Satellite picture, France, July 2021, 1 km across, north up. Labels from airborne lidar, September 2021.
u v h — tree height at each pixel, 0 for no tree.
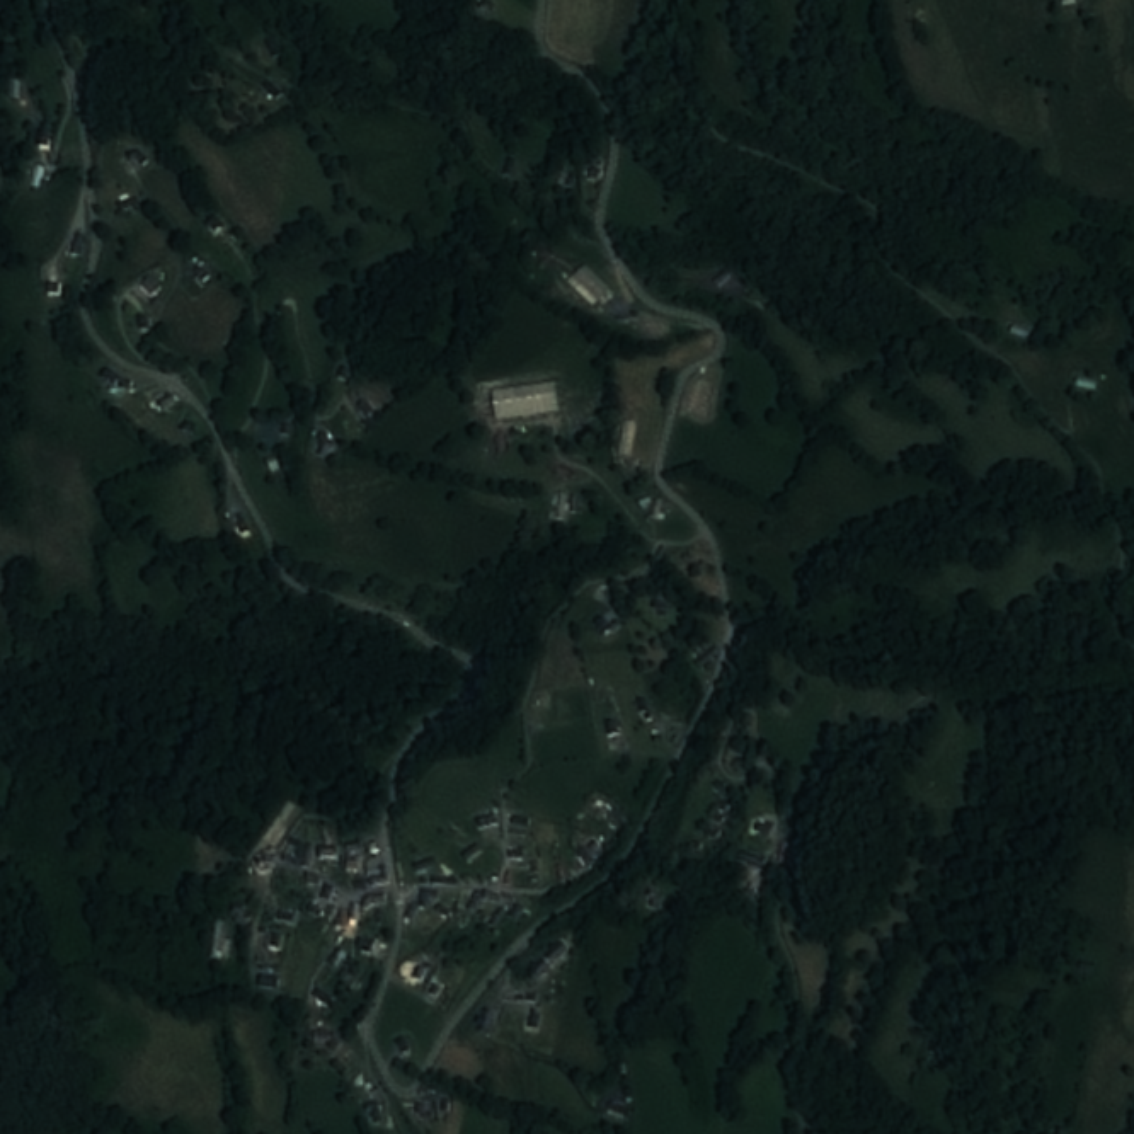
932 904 6
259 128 6
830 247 15
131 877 0
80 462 0
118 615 15
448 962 9
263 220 0
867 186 9
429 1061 0
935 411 20
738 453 0
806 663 18
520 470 0
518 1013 0
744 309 9
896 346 21
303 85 12
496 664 29
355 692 26
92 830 11
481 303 15
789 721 0
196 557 14
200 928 8
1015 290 15
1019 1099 19
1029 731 31
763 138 13
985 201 22
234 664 18
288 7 7
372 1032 0
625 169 0
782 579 0
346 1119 0
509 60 21
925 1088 0
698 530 0
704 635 12
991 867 17
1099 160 0
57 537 0
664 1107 0
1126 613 14
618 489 0
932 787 0
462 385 15
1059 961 19
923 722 12
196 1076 0
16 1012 25
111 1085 0
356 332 16
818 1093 16
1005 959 18
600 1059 0
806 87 21
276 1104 0
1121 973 0
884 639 20
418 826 0
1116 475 0
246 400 0
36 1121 19
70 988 12
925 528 23
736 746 16
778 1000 7
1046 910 16
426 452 0
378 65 15
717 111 22
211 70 8
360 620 18
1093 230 12
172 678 28
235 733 11
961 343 10
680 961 14
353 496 0
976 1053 10
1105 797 5
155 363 15
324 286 0
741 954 0
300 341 0
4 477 19
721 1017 0
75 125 0
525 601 20
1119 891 0
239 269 0
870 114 18
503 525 0
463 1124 0
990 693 6
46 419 0
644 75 28
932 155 17
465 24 27
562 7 0
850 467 0
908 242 15
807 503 0
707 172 19
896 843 22
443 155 5
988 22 0
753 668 19
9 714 25
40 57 0
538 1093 0
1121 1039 0
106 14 17
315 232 13
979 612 28
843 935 13
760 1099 0
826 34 21
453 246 19
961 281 22
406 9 23
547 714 0
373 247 0
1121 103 0
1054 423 10
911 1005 0
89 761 25
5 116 15
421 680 28
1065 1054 0
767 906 13
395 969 0
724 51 0
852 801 20
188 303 0
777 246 24
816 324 18
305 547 0
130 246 21
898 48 16
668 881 8
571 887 11
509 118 17
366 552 0
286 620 23
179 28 15
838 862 19
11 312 0
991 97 0
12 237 14
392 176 0
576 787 0
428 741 16
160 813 9
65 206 0
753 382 0
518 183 7
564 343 0
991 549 21
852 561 28
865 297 21
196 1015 13
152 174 0
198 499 0
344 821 10
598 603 0
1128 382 0
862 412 0
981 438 0
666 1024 9
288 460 17
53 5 12
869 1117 19
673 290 12
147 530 19
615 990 0
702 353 0
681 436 0
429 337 11
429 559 0
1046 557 0
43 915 14
